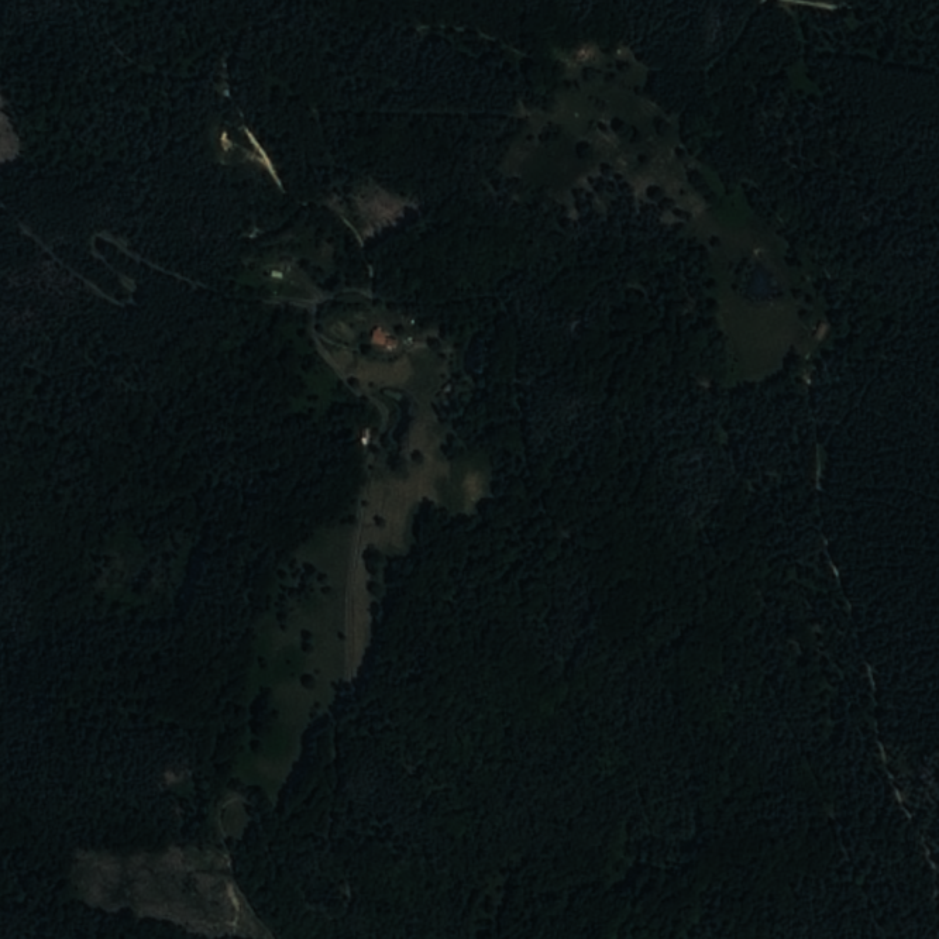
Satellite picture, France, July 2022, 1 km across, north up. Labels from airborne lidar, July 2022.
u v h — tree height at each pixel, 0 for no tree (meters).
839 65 18
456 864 13
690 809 17
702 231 0
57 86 17
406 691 27
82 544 16
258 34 21
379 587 13
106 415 23
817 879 15
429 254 24
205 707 14
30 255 25
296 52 10
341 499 25
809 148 22
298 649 0
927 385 22
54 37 25
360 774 20
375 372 0
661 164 0
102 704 19
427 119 12
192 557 10
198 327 23
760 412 18
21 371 21
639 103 0
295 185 17
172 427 23
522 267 13
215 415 16
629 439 14
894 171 24
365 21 18
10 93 20
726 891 15
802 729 20
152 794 24
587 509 19
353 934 15
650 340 26
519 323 23
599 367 23
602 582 17
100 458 28
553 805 15
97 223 15
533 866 16
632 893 18
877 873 16
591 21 19
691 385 17
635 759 13
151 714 15
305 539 20
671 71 17
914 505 19
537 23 23
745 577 23
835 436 22
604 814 13
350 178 28
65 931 24
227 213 18
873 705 13
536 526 23
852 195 21
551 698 20
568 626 20
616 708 14
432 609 21
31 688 22
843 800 16
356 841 21
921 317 19
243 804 0
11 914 27
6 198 21
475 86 31
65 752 28
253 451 25
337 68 19
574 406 17
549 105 17
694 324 8
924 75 22
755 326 0
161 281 22
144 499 16
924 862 14
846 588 15
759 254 0
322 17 15
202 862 0
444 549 21
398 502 0
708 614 25
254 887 17
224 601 25
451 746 22
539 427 23
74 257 22
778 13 17
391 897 16
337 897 11
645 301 22
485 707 20
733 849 26
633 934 21
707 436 21
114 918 17
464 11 14
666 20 23
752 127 21
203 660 20
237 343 15
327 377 0
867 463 19
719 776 27
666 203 15
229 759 11
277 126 12
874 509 21
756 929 21
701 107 16
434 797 13
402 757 16
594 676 20
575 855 18
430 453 0
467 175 21
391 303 9
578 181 0
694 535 14
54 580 19
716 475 25
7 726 28
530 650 19
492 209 21
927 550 13
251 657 12
